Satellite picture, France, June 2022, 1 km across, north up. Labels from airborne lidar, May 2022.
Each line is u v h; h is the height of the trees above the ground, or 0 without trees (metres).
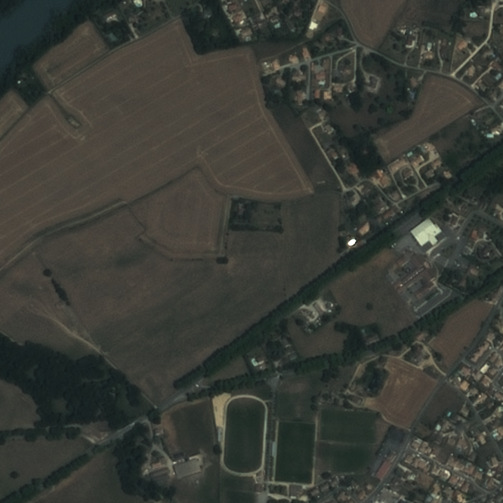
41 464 0
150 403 0
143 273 0
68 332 0
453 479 0
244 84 0
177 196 0
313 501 13
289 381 0
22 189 0
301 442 0
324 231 0
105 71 0
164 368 0
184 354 0
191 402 19
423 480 0
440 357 15
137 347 0
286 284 0
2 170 0
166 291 0
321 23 0
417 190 0
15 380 13
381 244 26
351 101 14
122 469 18
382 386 9
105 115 0
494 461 0
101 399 12
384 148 0
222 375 0
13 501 25
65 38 11
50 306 0
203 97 0
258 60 0
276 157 0
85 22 15
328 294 0
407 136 0
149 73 0
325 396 10
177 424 0
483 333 0
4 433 15
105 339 0
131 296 0
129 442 14
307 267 0
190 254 0
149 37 0
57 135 0
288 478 0
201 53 11
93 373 25
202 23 9
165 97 0
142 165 0
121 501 0
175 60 0
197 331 0
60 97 0
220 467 0
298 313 0
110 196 0
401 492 0
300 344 0
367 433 0
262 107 0
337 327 12
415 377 0
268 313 0
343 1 0
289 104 5
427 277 0
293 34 10
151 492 18
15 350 16
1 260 0
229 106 0
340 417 0
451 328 0
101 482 0
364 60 9
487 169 29
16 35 0
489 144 6
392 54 0
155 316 0
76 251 0
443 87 0
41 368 16
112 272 0
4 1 27
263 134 0
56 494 0
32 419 0
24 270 0
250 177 0
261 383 15
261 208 0
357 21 0
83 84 0
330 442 0
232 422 0
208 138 0
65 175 0
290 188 0
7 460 0
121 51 0
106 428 0
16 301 0
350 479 10
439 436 0
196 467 0
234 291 0
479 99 0
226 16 11
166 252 0
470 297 18
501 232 6
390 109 8
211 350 0
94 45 0
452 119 0
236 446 0
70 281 0
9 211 0
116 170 0
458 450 0
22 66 13
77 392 23
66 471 22
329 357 13
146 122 0
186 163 0
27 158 0
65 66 0
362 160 9
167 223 0
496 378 0
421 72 0
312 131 0
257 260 0
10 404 0
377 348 25
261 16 0
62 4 0
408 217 16
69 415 7
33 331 0
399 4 0
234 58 0
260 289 0
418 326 23
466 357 0
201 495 0
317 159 0
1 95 12
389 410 0
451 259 0
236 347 22
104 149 0
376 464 0
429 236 0
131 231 0
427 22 11
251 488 0
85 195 0
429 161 0
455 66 0
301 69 8
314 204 0
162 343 0
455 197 24
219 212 0
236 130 0
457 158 0
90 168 0
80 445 0
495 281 24
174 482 0
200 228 0
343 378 0
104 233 0
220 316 0
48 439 18
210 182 0
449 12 0
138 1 0
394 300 0
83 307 0
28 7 0
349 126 0
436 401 0
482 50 6
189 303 0
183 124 0
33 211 0
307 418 0
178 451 0
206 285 0
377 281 0
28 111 0
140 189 0
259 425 0
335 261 0
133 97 0
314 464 0
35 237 0
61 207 0
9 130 0
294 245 0
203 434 0
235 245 0
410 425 0
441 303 0
